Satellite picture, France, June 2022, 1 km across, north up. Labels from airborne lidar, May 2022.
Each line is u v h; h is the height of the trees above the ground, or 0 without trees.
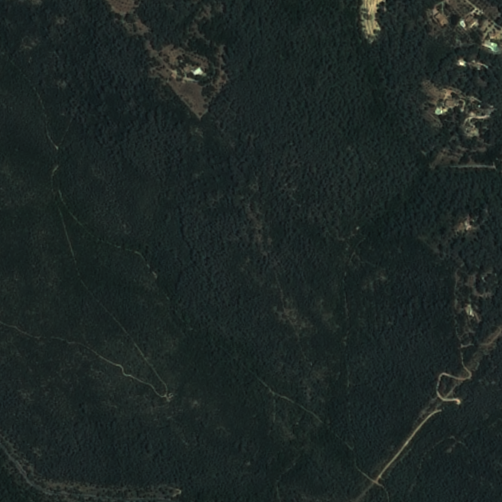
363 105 17
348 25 25
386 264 7
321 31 18
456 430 13
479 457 10
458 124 6
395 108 12
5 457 10
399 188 18
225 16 19
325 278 11
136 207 11
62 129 7
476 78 20
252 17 22
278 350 13
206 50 9
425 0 20
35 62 9
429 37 21
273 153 15
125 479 13
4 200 7
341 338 8
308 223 19
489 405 13
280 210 20
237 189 15
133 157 19
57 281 6
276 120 20
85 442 16
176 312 16
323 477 9
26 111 8
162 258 13
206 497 18
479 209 8
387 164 17
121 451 17
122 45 17
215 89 6
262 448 7
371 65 14
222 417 7
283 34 21
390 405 7
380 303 9
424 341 8
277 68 18
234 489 16
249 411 7
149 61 8
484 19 11
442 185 20
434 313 8
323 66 21
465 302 5
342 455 7
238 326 10
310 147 19
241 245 13
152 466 16
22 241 6
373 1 0
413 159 15
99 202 6
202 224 19
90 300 9
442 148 13
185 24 14
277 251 7
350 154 23
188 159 7
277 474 9
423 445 11
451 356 11
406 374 10
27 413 8
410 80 18
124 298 10
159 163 20
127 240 8
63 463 14
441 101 9
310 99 19
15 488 11
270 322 8
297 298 8
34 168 6
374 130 18
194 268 19
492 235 20
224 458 9
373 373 8
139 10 9
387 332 12
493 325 17
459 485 8
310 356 7
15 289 6
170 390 6
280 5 12
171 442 15
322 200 9
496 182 15
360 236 8
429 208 18
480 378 7
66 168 10
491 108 17
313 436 8
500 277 11
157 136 18
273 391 8
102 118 14
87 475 17
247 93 19
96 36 16
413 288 7
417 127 16
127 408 5
